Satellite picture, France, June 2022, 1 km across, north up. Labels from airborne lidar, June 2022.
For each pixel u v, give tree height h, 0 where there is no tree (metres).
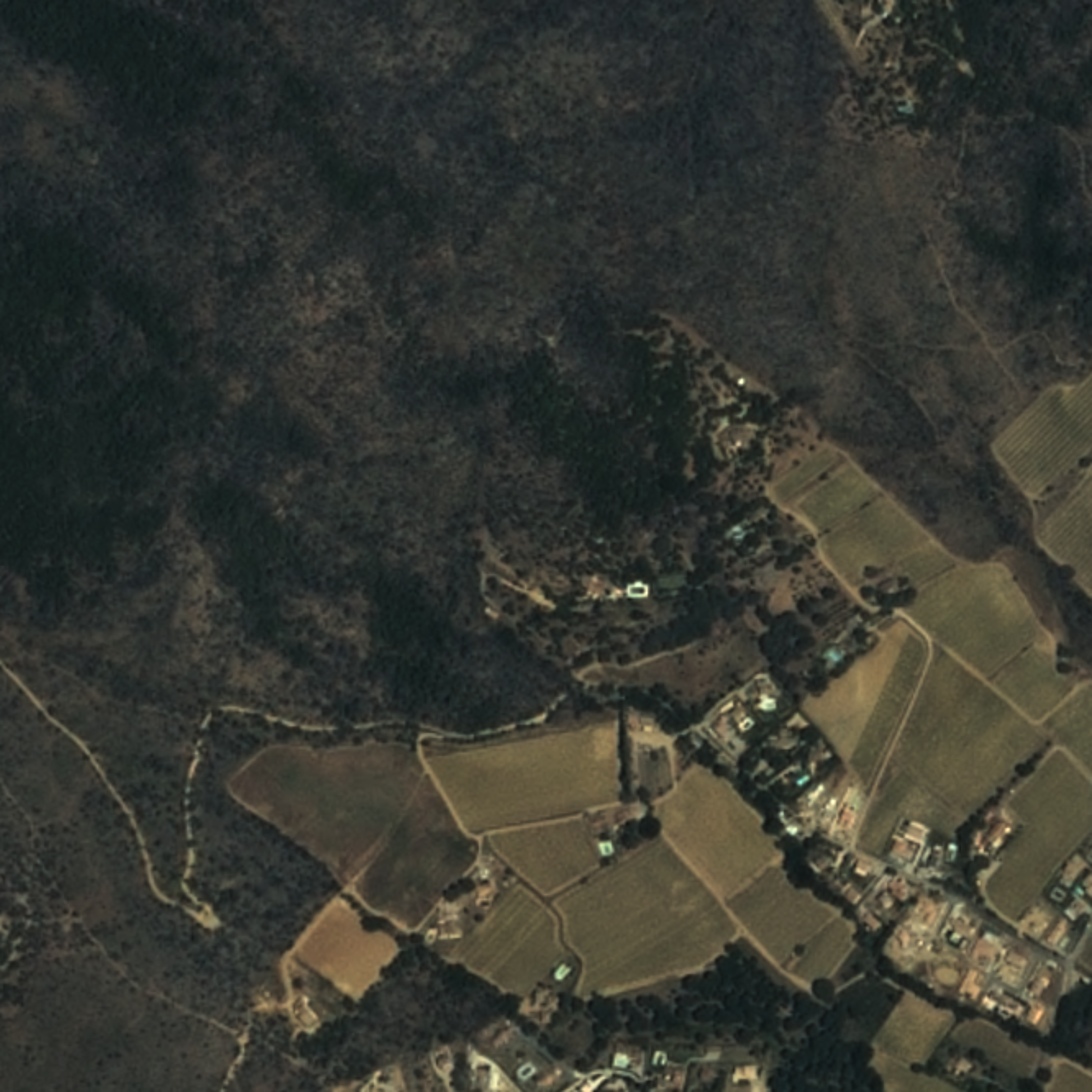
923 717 0
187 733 8
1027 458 0
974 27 9
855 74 8
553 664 9
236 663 0
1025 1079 7
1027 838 0
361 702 12
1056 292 9
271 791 0
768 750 9
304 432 9
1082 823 0
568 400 7
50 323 9
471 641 10
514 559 7
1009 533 7
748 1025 11
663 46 10
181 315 8
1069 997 11
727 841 0
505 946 0
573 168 0
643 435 8
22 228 8
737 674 7
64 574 7
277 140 6
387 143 7
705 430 7
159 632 0
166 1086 0
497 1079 0
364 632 0
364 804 0
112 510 6
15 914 8
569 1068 0
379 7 9
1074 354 0
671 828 0
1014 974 0
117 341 14
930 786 0
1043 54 9
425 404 8
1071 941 0
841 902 14
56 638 0
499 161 9
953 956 0
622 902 0
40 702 0
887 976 12
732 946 10
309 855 9
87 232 10
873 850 0
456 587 13
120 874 0
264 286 8
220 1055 0
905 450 11
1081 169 7
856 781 0
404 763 0
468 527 8
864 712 0
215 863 6
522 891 0
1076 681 0
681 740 9
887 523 0
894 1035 0
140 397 14
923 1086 0
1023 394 0
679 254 10
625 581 8
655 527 14
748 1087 0
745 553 14
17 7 7
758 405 9
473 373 9
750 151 7
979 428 8
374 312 8
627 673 0
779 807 7
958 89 6
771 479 6
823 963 0
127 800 7
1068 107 7
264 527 6
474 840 0
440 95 11
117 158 18
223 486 9
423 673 7
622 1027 11
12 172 10
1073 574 11
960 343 0
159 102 9
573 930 0
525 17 14
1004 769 0
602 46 9
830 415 0
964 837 10
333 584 8
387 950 0
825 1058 9
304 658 6
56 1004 0
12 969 8
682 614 6
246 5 7
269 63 6
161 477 7
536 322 7
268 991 0
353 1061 10
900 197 0
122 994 0
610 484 10
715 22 11
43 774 0
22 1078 0
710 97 6
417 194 6
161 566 7
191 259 7
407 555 8
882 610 6
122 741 0
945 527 0
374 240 7
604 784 0
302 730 8
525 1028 10
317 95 8
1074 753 0
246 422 7
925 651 0
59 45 8
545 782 0
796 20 12
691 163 11
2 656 0
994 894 0
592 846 0
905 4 9
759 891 0
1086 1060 12
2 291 7
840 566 0
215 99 6
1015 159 6
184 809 7
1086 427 0
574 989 0
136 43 11
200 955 6
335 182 7
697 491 12
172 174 10
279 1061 6
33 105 0
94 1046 0
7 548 8
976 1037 0
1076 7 6
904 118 6
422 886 0
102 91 8
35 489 8
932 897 6
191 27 10
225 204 8
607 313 13
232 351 8
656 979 0
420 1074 8
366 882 0
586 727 0
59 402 8
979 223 7
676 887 0
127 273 9
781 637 13
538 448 7
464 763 0
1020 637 0
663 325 9
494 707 10
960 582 0
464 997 10
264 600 9
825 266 0
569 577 9
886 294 0
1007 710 0
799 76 10
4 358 8
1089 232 6
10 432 7
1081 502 0
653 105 7
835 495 0
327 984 0
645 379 10
